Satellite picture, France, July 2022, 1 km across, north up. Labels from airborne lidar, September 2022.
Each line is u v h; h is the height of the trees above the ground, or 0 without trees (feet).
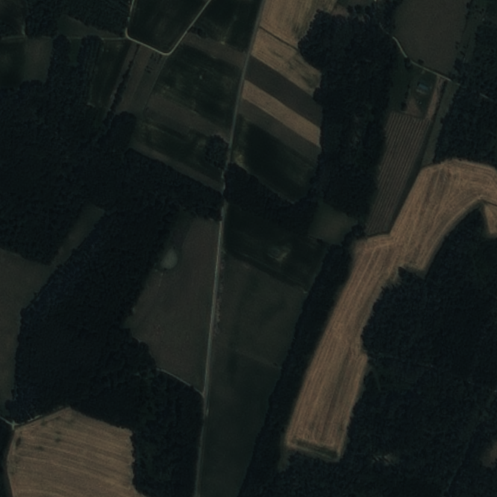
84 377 80
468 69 83
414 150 0
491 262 22
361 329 0
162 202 57
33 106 81
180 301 0
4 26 25
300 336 65
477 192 0
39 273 0
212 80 0
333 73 68
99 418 59
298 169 0
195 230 0
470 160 45
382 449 104
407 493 54
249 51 0
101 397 63
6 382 0
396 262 0
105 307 87
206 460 0
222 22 0
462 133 64
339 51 109
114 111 31
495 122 36
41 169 68
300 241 0
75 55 0
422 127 0
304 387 0
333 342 0
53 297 88
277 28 0
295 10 0
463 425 103
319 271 0
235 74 0
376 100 48
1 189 71
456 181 0
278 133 0
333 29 111
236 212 0
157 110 0
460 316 83
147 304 0
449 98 0
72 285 65
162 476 96
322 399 0
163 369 0
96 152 73
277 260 0
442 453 59
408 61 45
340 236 0
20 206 57
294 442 0
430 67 0
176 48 0
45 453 0
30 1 47
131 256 73
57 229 30
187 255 0
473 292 95
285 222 75
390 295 91
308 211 74
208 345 0
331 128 72
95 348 66
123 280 81
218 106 0
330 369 0
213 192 58
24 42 0
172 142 0
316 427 0
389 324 82
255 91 0
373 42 91
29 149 82
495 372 56
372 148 90
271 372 0
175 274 0
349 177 95
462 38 0
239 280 0
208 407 0
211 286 0
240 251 0
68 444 0
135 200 73
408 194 0
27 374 58
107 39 0
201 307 0
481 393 88
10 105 92
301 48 64
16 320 0
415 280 78
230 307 0
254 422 0
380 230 0
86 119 34
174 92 0
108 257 65
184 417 86
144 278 89
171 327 0
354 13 72
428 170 0
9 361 0
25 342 59
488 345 82
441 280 76
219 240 0
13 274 0
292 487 83
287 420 51
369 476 77
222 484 0
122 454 0
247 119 0
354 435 87
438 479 93
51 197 53
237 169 69
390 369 107
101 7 34
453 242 31
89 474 0
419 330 116
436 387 80
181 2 0
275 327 0
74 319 46
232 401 0
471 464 96
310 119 0
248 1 0
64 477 0
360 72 58
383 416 59
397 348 94
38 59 0
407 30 0
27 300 0
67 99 70
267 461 82
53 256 50
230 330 0
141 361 22
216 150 69
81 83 84
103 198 69
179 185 67
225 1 0
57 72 71
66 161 46
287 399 66
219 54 0
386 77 55
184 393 82
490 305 69
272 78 0
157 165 56
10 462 0
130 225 84
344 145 58
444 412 65
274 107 0
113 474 0
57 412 0
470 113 47
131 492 0
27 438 0
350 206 93
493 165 36
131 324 0
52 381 63
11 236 76
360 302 0
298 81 0
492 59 31
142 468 55
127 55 0
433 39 0
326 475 55
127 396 72
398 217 0
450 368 70
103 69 0
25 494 0
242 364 0
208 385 0
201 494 0
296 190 0
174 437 58
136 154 49
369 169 31
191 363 0
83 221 0
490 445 87
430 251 0
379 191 0
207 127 0
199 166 0
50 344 65
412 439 64
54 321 56
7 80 0
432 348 86
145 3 0
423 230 0
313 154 0
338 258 70
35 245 78
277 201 69
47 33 43
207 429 0
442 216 0
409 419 78
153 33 0
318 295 78
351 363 0
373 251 0
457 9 0
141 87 0
